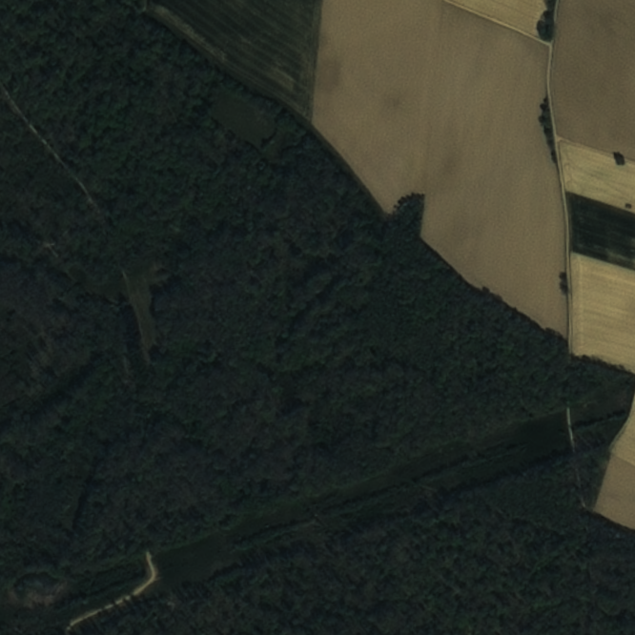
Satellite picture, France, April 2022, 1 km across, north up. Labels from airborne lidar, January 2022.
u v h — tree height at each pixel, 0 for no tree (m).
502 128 0
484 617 31
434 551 28
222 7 0
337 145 0
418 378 25
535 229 0
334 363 28
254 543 6
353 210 33
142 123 27
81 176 27
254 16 0
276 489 27
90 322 28
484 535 32
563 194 0
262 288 30
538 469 19
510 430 0
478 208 0
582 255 0
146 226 27
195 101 27
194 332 29
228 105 0
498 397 28
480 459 6
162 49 20
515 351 26
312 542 0
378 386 29
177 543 16
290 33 0
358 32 0
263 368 32
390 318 23
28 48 32
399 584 31
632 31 0
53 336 31
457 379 25
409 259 19
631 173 0
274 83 0
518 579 32
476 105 0
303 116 0
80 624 0
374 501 10
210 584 6
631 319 0
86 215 29
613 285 0
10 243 19
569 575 32
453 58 0
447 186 0
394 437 27
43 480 27
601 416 0
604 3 0
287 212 33
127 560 7
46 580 0
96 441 21
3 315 0
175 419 15
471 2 0
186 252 24
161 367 21
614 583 34
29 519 23
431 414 30
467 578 28
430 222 0
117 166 25
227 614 14
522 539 28
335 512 10
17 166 9
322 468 32
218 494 27
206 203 23
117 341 23
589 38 0
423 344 21
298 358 28
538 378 27
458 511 33
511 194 0
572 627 30
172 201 28
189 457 37
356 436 21
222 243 28
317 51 0
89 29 32
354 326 30
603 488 0
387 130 0
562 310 0
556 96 0
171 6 0
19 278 29
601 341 0
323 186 31
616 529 19
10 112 30
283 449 36
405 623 33
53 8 32
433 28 0
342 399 22
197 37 0
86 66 7
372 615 29
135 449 33
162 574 0
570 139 0
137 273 0
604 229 0
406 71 0
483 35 0
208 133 32
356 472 29
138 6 23
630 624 30
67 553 31
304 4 0
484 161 0
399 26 0
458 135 0
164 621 9
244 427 34
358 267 26
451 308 24
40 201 28
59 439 25
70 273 0
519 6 0
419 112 0
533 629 31
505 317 28
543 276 0
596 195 0
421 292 26
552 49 0
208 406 31
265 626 14
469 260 0
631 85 0
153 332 0
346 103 0
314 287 32
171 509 22
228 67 0
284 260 28
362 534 29
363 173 0
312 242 30
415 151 0
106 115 28
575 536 28
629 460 0
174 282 9
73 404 24
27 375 0
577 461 27
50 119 26
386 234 17
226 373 32
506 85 0
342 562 35
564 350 22
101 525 37
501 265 0
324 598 17
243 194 15
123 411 16
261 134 0
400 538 29
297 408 27
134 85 27
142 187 28
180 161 25
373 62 0
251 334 33
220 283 37
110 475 26
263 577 35
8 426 22
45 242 28
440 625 28
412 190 0
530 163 0
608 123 0
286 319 29
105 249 22
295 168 21
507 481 19
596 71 0
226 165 35
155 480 32
